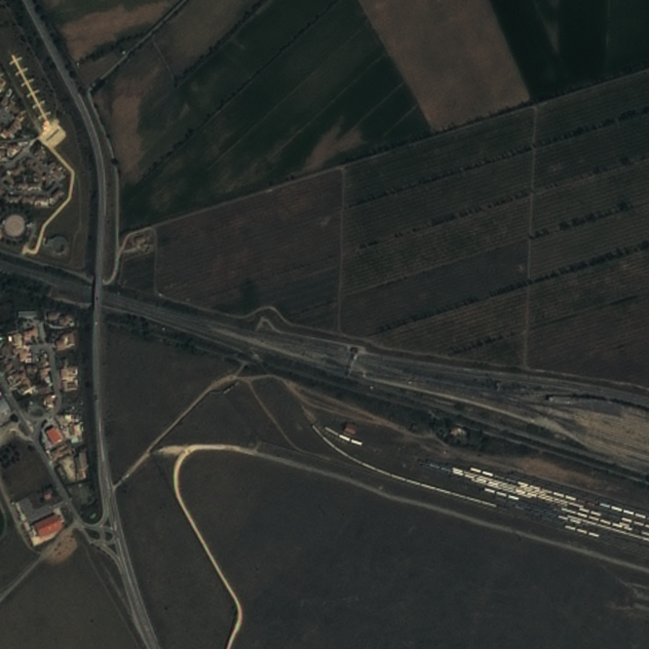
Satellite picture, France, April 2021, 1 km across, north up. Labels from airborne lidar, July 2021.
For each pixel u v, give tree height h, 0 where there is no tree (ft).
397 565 0
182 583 0
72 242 0
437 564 0
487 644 0
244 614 0
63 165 0
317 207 0
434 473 0
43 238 0
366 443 0
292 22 0
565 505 0
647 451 0
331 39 0
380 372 0
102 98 0
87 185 0
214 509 0
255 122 0
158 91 0
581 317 0
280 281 0
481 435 21
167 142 0
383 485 0
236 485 0
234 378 0
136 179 0
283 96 0
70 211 0
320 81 0
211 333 0
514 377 0
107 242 0
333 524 0
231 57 0
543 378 0
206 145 0
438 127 0
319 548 0
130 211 0
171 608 0
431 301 0
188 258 0
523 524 0
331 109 0
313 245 0
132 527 0
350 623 0
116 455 0
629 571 0
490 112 0
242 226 0
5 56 0
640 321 0
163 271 0
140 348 0
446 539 0
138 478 0
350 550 0
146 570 0
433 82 0
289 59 0
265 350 0
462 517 0
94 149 0
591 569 0
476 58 0
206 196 0
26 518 0
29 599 0
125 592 0
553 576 0
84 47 0
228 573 0
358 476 0
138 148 0
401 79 0
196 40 0
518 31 0
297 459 0
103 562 0
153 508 0
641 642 0
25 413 0
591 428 0
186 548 0
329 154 0
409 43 0
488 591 0
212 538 0
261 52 0
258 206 0
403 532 0
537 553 0
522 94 0
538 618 0
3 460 21
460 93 0
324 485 0
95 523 0
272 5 0
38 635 0
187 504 0
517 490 0
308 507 0
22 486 0
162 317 0
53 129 0
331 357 0
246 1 0
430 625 0
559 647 0
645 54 0
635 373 0
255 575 0
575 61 0
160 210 0
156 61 0
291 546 0
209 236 0
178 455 0
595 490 0
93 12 0
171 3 0
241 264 0
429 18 0
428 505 0
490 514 0
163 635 0
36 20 0
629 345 0
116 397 0
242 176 0
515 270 0
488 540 0
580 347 0
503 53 0
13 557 0
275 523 0
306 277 0
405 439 0
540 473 0
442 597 0
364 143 0
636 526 0
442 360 0
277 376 0
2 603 0
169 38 0
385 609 0
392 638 0
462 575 0
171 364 0
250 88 0
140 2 0
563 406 0
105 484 0
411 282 0
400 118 0
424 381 0
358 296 0
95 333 0
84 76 0
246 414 0
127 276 0
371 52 0
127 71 0
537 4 0
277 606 0
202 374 0
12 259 19
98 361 0
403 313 0
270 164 0
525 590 0
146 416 0
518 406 0
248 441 0
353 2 0
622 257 56
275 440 0
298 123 0
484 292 0
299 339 0
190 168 0
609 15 0
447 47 0
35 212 0
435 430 43
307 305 0
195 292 0
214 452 0
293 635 0
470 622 0
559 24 0
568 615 0
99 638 0
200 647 0
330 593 0
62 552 0
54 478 0
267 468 0
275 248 0
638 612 0
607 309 0
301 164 0
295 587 0
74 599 0
